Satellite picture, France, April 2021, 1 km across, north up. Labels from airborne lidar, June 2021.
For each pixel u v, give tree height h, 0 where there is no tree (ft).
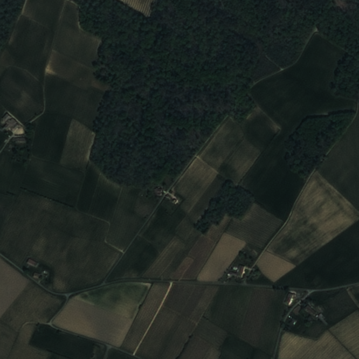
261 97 0
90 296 0
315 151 33
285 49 57
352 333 0
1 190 0
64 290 0
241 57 70
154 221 0
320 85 0
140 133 54
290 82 0
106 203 0
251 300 0
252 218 0
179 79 87
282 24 49
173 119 91
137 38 68
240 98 51
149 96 46
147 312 0
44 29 0
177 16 69
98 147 55
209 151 0
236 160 0
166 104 83
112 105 70
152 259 0
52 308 0
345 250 0
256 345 0
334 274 0
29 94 0
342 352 0
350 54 46
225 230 0
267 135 0
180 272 0
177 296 0
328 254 0
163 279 0
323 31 64
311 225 0
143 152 63
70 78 0
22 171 0
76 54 0
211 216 50
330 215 0
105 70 31
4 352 0
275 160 0
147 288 0
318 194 0
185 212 0
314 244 0
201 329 0
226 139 0
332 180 0
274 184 0
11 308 0
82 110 0
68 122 0
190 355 0
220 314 0
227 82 78
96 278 0
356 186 0
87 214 0
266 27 73
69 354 0
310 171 33
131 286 0
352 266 0
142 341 0
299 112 0
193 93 67
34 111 0
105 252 0
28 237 0
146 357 0
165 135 53
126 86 66
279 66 63
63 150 0
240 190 60
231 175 0
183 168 31
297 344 0
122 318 0
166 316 0
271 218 0
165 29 65
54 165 0
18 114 0
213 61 67
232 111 51
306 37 55
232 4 70
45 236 0
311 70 0
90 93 0
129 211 0
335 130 72
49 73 0
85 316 0
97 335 0
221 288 0
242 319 0
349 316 0
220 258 0
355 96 66
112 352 0
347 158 0
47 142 0
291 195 0
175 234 0
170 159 78
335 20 73
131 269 0
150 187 61
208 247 0
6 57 0
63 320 0
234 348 0
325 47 0
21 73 0
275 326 0
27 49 0
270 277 0
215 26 60
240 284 0
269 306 0
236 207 66
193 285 0
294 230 0
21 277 0
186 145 73
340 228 0
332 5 64
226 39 63
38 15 0
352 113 44
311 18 36
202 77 68
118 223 0
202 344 0
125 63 88
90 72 0
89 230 0
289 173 0
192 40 33
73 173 0
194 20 49
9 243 0
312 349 0
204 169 0
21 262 0
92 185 0
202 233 40
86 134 0
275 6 84
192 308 0
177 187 0
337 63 0
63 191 0
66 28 0
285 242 0
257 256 0
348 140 0
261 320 0
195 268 0
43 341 0
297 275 0
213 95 80
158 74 75
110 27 56
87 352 0
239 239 0
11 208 0
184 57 82
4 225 0
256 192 0
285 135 0
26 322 0
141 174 67
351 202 0
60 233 0
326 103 0
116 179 49
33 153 0
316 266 0
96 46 0
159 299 0
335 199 0
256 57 91
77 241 0
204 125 77
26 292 0
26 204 0
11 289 0
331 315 0
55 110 0
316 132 43
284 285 0
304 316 35
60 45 0
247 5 73
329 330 0
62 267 0
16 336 0
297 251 0
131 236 0
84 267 0
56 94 0
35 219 0
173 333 0
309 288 0
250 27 67
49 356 0
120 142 37
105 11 64
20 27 0
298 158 62
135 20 54
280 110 0
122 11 70
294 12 60
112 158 66
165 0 69
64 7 0
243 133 0
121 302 0
